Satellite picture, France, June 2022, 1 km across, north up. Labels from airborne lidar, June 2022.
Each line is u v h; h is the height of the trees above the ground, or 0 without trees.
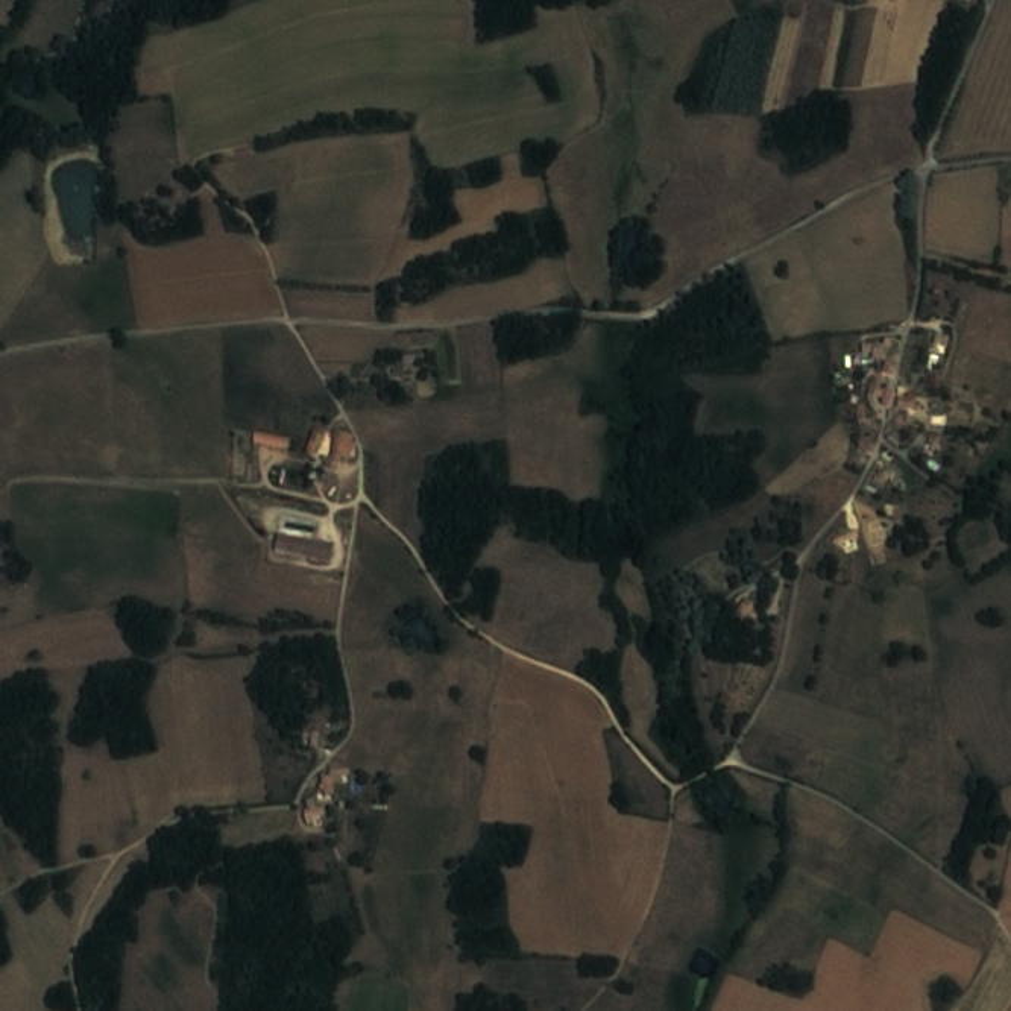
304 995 14
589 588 0
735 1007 0
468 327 0
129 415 0
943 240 0
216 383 0
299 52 0
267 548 0
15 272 0
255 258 0
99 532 0
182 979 0
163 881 13
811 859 0
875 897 0
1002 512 10
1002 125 0
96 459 0
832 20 0
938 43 12
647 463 10
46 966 0
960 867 8
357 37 0
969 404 0
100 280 0
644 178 0
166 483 0
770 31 11
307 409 0
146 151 0
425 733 0
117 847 0
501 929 8
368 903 0
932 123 7
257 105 0
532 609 0
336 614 0
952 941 0
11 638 0
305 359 0
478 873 6
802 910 0
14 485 0
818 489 0
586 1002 0
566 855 0
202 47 0
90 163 0
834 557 11
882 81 0
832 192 0
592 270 0
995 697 0
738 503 12
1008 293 8
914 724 0
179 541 0
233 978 9
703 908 0
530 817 0
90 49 20
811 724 0
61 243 0
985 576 13
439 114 0
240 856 14
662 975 0
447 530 11
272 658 7
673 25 0
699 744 7
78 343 0
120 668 12
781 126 8
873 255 0
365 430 0
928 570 11
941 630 0
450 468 6
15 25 8
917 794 0
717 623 12
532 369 0
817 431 0
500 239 8
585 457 0
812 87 0
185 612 10
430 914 0
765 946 0
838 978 0
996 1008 0
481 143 0
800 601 0
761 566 12
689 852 0
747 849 0
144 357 0
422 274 8
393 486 0
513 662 0
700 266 0
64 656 0
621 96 0
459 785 0
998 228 0
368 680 0
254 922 8
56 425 0
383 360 9
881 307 0
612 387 0
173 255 0
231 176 0
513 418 0
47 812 10
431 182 11
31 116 15
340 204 0
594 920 0
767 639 13
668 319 8
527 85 0
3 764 11
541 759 0
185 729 0
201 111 0
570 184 0
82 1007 7
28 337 0
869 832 0
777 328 0
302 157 0
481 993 13
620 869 0
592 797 0
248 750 0
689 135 0
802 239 0
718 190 0
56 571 0
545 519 9
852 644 0
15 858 0
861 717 0
